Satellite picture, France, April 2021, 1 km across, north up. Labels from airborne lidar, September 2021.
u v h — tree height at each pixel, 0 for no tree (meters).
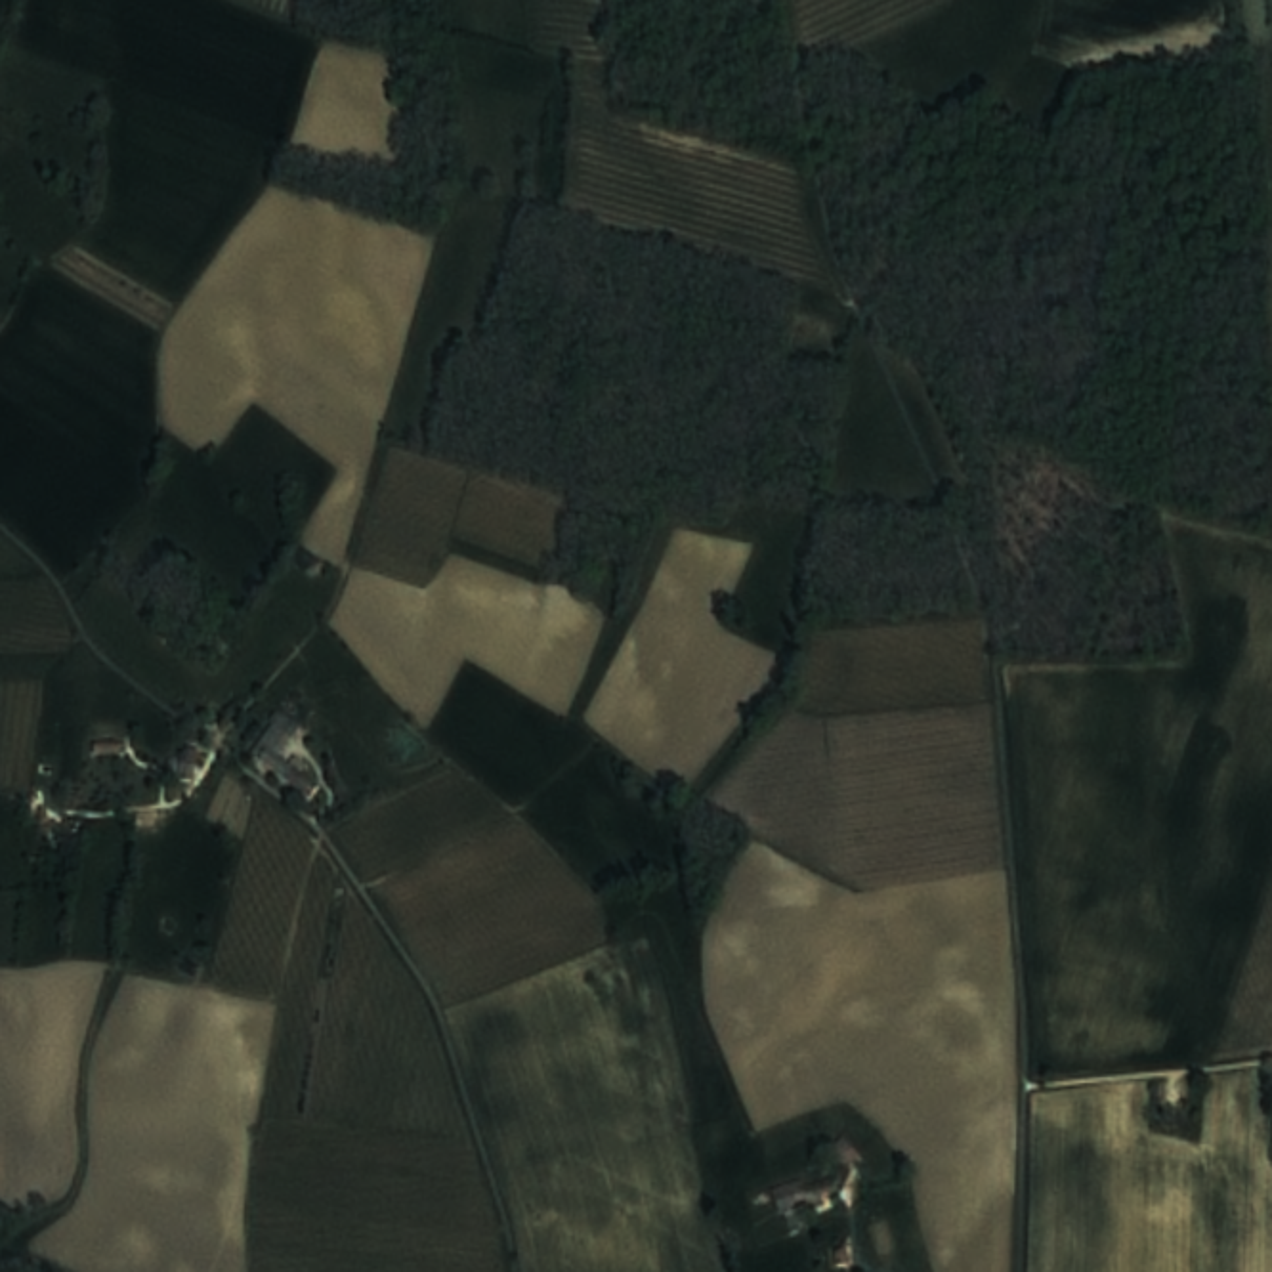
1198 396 20
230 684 0
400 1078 0
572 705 0
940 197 22
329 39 17
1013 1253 0
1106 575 23
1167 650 14
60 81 0
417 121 20
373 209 21
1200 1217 0
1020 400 16
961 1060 0
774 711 17
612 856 0
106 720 0
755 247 0
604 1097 0
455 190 21
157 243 0
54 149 0
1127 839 0
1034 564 15
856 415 0
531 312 21
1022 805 0
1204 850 0
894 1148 0
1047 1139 0
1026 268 22
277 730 0
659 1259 0
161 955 0
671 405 22
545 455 20
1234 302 14
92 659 0
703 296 26
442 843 0
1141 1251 0
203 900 0
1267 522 12
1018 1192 0
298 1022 0
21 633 0
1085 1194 0
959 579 16
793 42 15
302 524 9
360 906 0
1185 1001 0
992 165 24
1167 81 21
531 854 0
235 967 0
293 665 0
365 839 0
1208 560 0
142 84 0
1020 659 17
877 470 0
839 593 21
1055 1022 0
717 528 16
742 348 22
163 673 0
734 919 0
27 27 0
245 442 0
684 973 0
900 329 19
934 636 0
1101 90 19
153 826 0
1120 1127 0
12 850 0
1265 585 0
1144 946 0
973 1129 0
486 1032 0
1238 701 0
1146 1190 0
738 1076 0
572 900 0
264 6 0
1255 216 21
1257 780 0
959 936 0
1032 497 19
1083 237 23
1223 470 16
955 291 23
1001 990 0
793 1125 0
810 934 0
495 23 0
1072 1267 0
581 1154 0
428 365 0
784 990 0
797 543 0
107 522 0
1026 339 17
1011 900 0
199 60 0
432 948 0
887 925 0
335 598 0
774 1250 0
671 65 20
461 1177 0
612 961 0
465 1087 0
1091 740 0
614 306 19
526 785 0
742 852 26
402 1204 0
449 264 0
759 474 19
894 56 0
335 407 0
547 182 0
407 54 18
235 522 0
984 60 0
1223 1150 0
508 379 23
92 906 0
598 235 17
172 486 0
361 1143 0
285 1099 0
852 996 0
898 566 18
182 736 10
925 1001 0
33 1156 0
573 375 18
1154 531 22
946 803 0
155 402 0
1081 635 20
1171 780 0
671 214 0
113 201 0
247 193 0
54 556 0
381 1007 0
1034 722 0
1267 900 0
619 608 14
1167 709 0
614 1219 0
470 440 19
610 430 23
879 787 0
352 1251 0
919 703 0
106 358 0
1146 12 0
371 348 0
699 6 20
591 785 0
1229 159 24
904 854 0
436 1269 0
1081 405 14
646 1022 0
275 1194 0
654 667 0
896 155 14
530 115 0
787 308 17
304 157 14
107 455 0
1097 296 18
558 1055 0
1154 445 19
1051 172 22
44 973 0
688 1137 0
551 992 0
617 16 16
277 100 0
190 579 21
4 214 0
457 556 0
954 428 10
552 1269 0
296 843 0
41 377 0
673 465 21
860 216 14
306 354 0
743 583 0
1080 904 0
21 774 0
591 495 22
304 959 0
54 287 0
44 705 0
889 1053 0
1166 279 24
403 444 8
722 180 0
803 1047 0
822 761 0
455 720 0
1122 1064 0
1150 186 19
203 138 0
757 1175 0
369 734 0
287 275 0
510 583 0
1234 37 14
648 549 15
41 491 0
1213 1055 0
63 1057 0
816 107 18
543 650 0
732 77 20
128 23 0
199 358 0
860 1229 0
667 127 14
